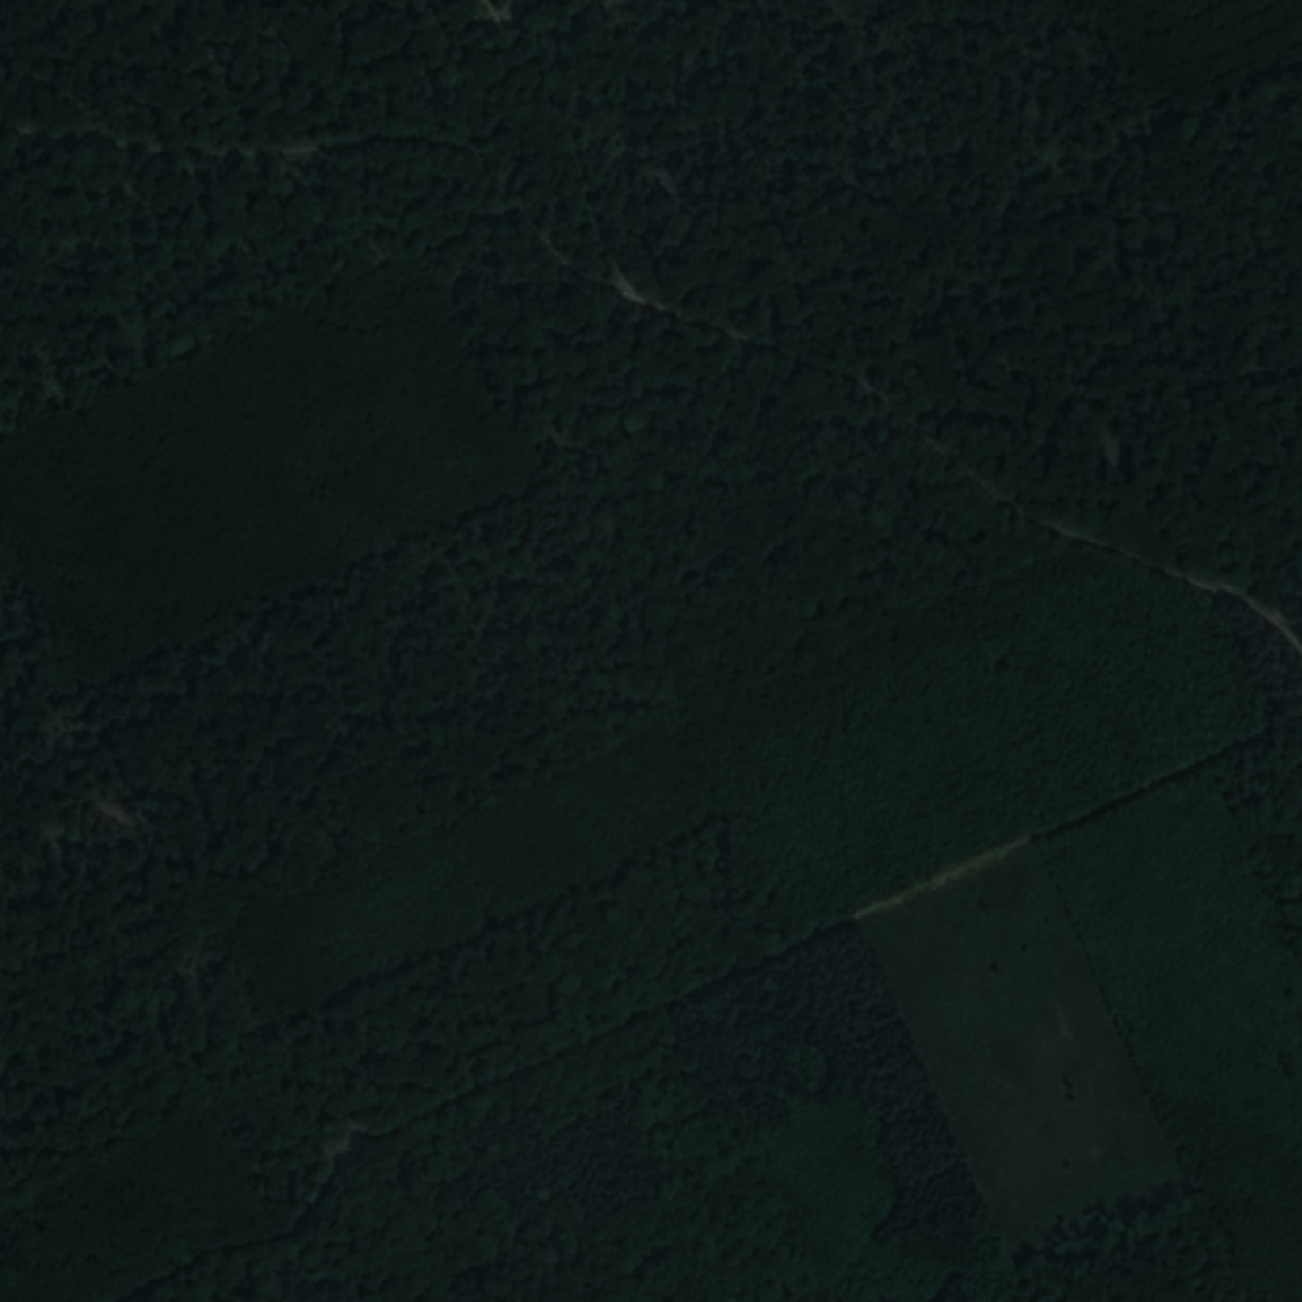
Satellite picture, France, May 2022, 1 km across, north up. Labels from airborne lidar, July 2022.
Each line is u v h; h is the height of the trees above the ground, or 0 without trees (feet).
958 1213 81
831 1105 53
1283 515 52
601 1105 80
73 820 85
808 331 89
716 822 71
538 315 86
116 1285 51
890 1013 89
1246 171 69
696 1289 75
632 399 50
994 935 0
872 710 44
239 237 70
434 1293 94
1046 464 94
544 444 41
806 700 54
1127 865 44
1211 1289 66
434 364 35
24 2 91
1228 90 28
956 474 75
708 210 101
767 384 77
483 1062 68
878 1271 41
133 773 80
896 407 56
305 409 35
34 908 73
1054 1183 0
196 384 45
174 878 83
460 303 62
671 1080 78
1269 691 114
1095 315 97
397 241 67
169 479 40
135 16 98
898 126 49
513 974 84
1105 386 90
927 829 55
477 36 73
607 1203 72
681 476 76
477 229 80
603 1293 103
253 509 37
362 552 22
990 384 97
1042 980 0
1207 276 48
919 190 74
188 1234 52
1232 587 50
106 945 78
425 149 63
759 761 46
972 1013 0
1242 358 77
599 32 76
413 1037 82
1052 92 75
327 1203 58
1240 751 95
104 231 83
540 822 32
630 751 36
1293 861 66
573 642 78
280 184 89
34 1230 51
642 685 72
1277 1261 33
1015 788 55
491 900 20
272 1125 42
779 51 76
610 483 90
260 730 82
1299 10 24
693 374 81
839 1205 47
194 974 28
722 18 66
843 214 103
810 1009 91
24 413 38
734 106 76
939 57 76
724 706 54
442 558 33
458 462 32
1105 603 40
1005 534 90
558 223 96
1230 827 43
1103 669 51
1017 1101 0
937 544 80
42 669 83
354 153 69
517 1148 71
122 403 36
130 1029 85
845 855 51
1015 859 0
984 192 80
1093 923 45
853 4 72
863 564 93
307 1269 77
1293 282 71
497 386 81
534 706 76
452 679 87
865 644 59
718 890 74
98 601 37
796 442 58
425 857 30
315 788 69
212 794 78
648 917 78
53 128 86
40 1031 77
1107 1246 74
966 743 52
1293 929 71
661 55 72
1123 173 64
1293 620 58
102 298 81
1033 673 60
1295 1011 36
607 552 83
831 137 74
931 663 51
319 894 28
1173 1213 73
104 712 80
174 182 84
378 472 40
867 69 81
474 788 72
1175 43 24
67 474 37
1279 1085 37
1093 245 89
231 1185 50
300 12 96
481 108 87
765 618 77
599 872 30
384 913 21
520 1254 70
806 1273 77
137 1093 92
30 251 80
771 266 111
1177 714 50
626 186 60
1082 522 83
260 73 98
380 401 32
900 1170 83
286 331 41
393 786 80
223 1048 76
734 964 44
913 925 0
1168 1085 40
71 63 87
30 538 41
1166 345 86
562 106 85
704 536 71
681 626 82
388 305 36
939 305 21
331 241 75
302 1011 32
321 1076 82
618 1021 62
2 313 75
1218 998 43
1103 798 49
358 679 79
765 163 28
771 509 83
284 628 85
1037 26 76
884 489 91
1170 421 94
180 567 37
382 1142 72
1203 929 41
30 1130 74
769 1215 68
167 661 68
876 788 51
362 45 99
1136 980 41
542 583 68
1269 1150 36
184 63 98
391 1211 97
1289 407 81
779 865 59
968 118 70
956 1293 74
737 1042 84
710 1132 80
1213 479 92
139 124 87
